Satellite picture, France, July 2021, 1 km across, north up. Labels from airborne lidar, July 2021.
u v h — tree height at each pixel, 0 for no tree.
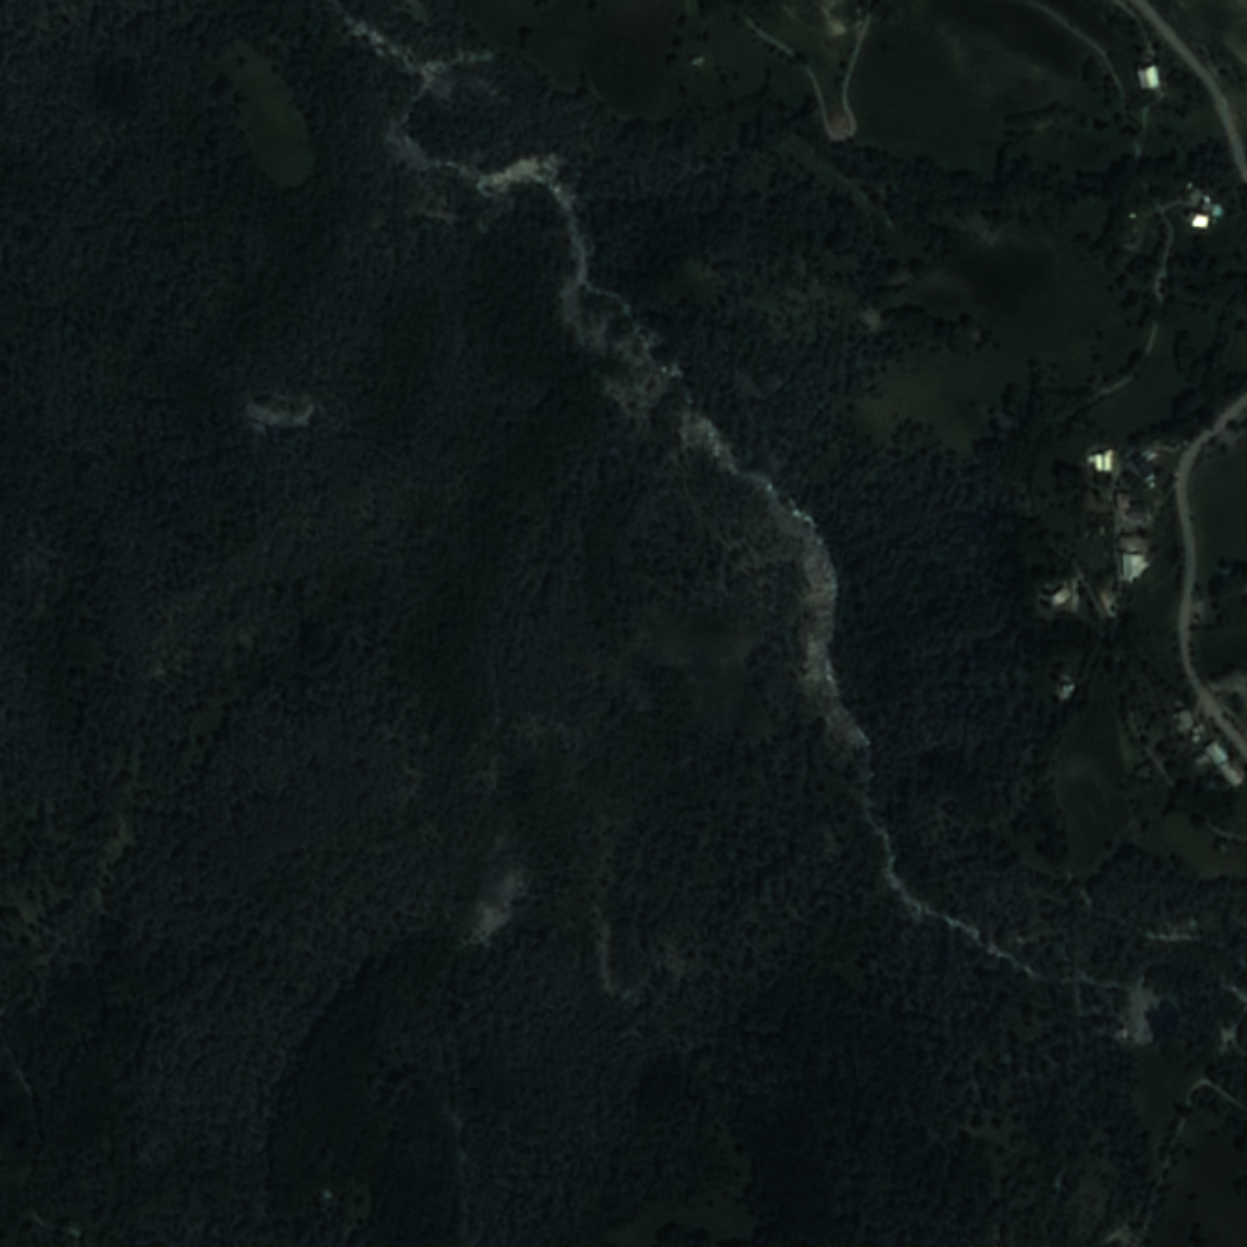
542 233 11
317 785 18
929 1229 19
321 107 11
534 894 9
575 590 13
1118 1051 8
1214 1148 0
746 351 7
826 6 0
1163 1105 0
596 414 12
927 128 0
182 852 12
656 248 19
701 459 7
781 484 10
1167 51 7
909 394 0
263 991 9
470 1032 14
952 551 17
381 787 17
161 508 15
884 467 13
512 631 6
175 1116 14
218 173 12
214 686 15
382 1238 20
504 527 9
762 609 14
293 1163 19
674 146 14
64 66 10
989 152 0
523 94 7
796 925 13
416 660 15
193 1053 15
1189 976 11
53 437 10
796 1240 24
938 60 0
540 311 11
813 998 19
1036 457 13
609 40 0
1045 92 0
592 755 8
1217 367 15
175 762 9
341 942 9
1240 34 0
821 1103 27
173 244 12
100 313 9
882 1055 21
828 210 9
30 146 11
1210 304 9
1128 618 13
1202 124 0
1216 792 10
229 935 5
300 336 8
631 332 8
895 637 25
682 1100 17
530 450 10
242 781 16
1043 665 7
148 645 7
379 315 10
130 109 15
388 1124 12
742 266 11
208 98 15
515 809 6
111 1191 10
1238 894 11
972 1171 20
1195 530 0
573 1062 12
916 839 12
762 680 15
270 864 11
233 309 7
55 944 13
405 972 22
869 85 0
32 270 9
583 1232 13
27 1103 23
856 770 12
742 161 15
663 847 14
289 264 13
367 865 10
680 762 11
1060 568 11
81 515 9
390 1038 21
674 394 8
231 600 11
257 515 13
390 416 7
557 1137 12
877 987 9
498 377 10
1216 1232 0
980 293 0
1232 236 0
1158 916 16
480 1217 11
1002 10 0
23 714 10
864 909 14
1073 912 14
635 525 13
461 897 8
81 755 12
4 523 7
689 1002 11
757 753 12
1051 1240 9
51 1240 9
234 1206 11
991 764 10
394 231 10
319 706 16
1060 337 0
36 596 12
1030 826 20
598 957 6
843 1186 25
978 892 14
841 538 8
